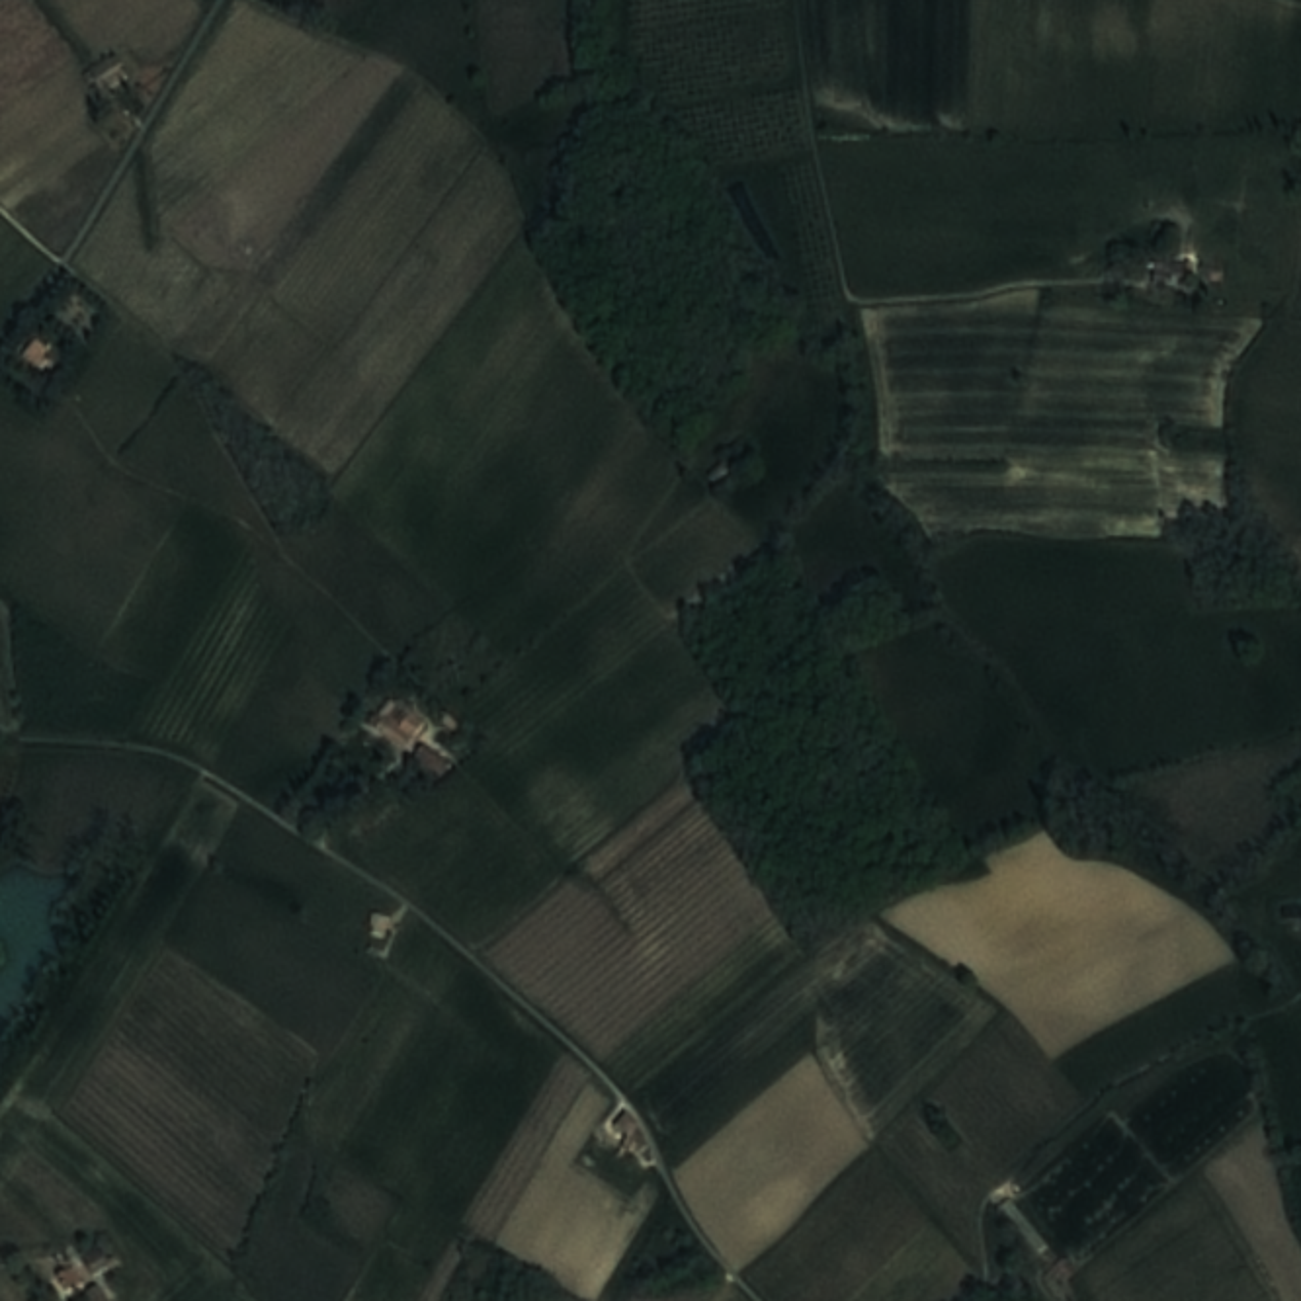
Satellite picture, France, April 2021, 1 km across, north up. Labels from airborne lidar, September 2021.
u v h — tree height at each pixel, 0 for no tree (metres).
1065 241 0
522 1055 0
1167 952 0
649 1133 0
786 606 22
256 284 0
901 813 26
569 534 0
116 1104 0
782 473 0
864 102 0
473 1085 0
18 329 14
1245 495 19
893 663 0
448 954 0
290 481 20
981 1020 0
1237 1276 0
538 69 0
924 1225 0
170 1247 0
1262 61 0
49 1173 0
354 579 0
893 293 0
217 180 0
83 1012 0
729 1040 0
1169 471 0
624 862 0
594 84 24
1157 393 0
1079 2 0
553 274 17
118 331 0
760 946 0
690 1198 0
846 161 0
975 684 0
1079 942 0
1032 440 0
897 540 17
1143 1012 0
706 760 24
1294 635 0
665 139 22
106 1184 0
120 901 15
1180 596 0
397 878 0
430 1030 0
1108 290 10
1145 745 0
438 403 0
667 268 21
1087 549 0
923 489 0
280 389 0
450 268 0
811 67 0
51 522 0
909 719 0
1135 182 0
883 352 0
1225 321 0
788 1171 0
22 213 0
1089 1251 0
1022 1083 0
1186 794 0
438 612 0
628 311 24
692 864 0
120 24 0
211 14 0
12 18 0
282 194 0
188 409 0
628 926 0
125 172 0
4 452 0
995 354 0
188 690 0
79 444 0
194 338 0
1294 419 0
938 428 0
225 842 0
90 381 0
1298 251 0
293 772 0
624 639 0
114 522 0
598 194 23
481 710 0
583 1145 0
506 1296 13
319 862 0
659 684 0
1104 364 0
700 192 21
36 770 0
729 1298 0
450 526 0
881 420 0
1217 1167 0
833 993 0
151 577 0
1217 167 0
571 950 0
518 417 0
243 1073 0
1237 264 0
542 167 0
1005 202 0
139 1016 0
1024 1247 12
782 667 18
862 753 22
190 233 0
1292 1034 0
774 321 23
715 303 26
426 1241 0
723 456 8
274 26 0
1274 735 0
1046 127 0
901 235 0
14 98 0
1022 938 0
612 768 0
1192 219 0
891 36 0
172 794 0
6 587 0
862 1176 0
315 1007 0
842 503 0
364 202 0
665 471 0
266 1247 0
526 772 0
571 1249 0
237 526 0
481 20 0
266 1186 7
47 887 0
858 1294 0
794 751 22
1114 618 0
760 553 8
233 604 0
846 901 23
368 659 0
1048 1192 0
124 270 0
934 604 15
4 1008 0
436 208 0
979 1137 0
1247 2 0
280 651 0
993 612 0
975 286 0
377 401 0
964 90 0
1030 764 0
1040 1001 0
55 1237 0
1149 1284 0
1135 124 0
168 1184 0
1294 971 0
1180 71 0
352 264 0
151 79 0
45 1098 0
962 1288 0
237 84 0
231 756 0
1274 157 0
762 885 21
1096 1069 0
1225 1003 0
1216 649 0
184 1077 0
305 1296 0
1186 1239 0
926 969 0
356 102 0
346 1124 0
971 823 0
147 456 0
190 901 0
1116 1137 0
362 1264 0
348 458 0
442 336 0
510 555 0
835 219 0
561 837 0
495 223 0
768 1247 0
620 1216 0
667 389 19
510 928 0
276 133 0
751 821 23
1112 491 0
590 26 17
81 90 0
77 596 0
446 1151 0
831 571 0
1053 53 0
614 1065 0
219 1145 0
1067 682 0
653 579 0
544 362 0
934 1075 0
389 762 17
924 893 17
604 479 0
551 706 0
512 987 0
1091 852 22
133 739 0
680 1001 0
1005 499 0
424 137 0
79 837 0
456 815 0
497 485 0
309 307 0
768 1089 0
